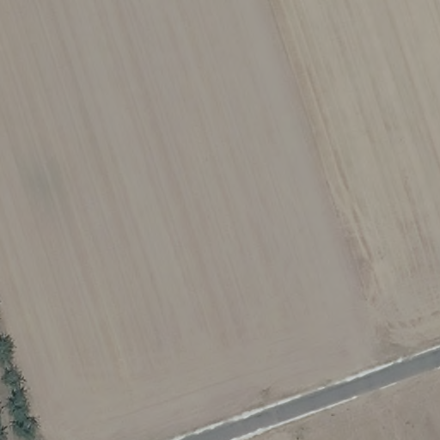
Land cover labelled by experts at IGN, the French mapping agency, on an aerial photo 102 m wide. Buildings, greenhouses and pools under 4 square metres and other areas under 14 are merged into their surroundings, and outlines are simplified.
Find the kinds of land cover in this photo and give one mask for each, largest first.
<instances>
[{"label":"agricultural land","instance_id":"1","mask_svg":"<svg viewBox=\"0 0 440 440\"><path fill-rule=\"evenodd\" d=\"M10 337L14 344L12 361L15 370L21 373L22 388L24 394L29 416H33L38 423L36 440H167L175 430L186 426H192V430L196 431L218 421H223L225 425L232 423L230 418L237 414L266 406L273 400L285 399L290 395H297L299 399L325 388L349 382L347 376L356 375L359 371L375 368L378 364L390 361L397 363L399 357L404 361L440 349V0H0V337ZM316 414L313 416L273 428L260 440H440V366L315 409Z\"/></svg>","mask_w":440,"mask_h":440},{"label":"impervious surface","instance_id":"2","mask_svg":"<svg viewBox=\"0 0 440 440\"><path fill-rule=\"evenodd\" d=\"M440 366V349L404 361L349 382L325 388L299 399L232 423L225 425L205 431L194 440H242V433L315 409Z\"/></svg>","mask_w":440,"mask_h":440},{"label":"deciduous trees","instance_id":"3","mask_svg":"<svg viewBox=\"0 0 440 440\"><path fill-rule=\"evenodd\" d=\"M14 344L10 337H0V370L3 371V383L9 385L10 392L22 388L21 373L15 370L12 361ZM38 423L33 416H29L24 394L21 397L10 395L9 400H0V440H36Z\"/></svg>","mask_w":440,"mask_h":440},{"label":"pervious surface","instance_id":"4","mask_svg":"<svg viewBox=\"0 0 440 440\"><path fill-rule=\"evenodd\" d=\"M404 361L399 357L397 363L390 361L378 364L375 368L359 371L356 375L347 376L349 382ZM299 399L297 395H290L285 399L273 400L266 406L237 414L230 418L232 423ZM316 414L315 409L242 433V440H260L273 428L313 416ZM225 425L223 421H218L196 431L192 430V426H186L175 430L167 440H194L205 431Z\"/></svg>","mask_w":440,"mask_h":440},{"label":"herbaceous vegetation","instance_id":"5","mask_svg":"<svg viewBox=\"0 0 440 440\"><path fill-rule=\"evenodd\" d=\"M3 371L0 370V400H9L10 395L21 397L24 394L22 388L10 392L9 385L3 383Z\"/></svg>","mask_w":440,"mask_h":440}]
</instances>
